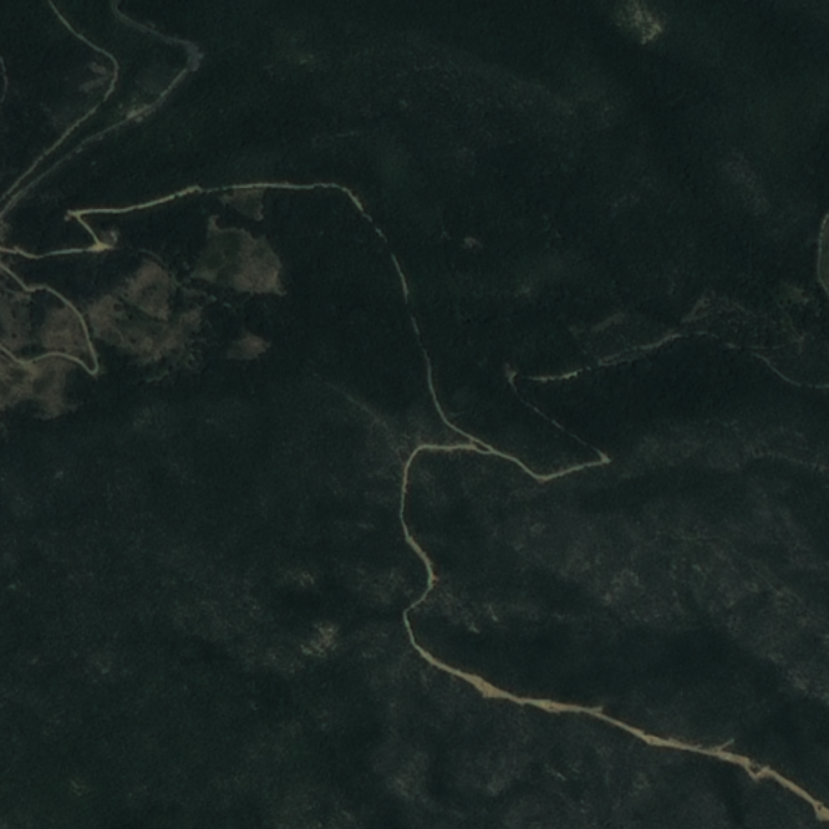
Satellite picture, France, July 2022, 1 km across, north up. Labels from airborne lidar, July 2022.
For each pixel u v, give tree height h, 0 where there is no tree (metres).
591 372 10
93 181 11
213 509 6
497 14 9
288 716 8
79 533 6
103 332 0
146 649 6
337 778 6
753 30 6
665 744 0
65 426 7
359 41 7
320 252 10
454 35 6
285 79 7
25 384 0
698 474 6
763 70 7
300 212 8
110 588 6
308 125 11
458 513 7
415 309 10
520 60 7
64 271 6
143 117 6
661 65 9
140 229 9
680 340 9
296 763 7
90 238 7
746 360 15
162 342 0
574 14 13
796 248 6
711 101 7
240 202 0
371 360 13
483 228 9
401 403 6
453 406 5
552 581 6
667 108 12
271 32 6
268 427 6
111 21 8
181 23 9
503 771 0
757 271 14
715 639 6
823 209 7
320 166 7
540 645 6
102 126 6
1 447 6
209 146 15
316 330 8
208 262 0
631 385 11
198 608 6
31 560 6
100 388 8
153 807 7
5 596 6
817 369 6
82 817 8
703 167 10
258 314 7
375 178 7
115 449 6
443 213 6
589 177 7
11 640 6
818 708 7
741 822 5
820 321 11
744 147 6
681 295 10
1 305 0
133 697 7
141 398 7
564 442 7
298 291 7
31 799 7
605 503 6
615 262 6
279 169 7
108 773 6
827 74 7
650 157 9
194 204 9
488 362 7
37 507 5
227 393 6
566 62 7
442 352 8
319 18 7
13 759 6
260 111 10
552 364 9
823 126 10
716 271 8
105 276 6
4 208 7
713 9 8
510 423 10
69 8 10
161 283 0
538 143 9
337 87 7
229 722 6
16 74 7
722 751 0
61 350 0
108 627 6
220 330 8
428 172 8
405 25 7
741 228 10
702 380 10
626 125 9
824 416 8
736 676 7
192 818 5
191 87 10
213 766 6
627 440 5
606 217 7
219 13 7
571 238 11
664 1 6
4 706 5
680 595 5
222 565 9
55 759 7
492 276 6
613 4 6
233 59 7
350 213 8
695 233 8
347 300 11
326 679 8
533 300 12
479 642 6
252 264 0
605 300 9
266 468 6
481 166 13
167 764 6
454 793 5
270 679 7
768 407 6
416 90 7
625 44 10
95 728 6
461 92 5
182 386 8
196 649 10
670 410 10
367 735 6
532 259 5
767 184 7
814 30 9
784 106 7
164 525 6
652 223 8
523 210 12
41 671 6
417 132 7
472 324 13
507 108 9
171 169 14
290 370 7
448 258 10
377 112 6
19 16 6
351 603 8
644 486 6
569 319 6
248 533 6
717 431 6
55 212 7
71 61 8
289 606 6
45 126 7
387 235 8
